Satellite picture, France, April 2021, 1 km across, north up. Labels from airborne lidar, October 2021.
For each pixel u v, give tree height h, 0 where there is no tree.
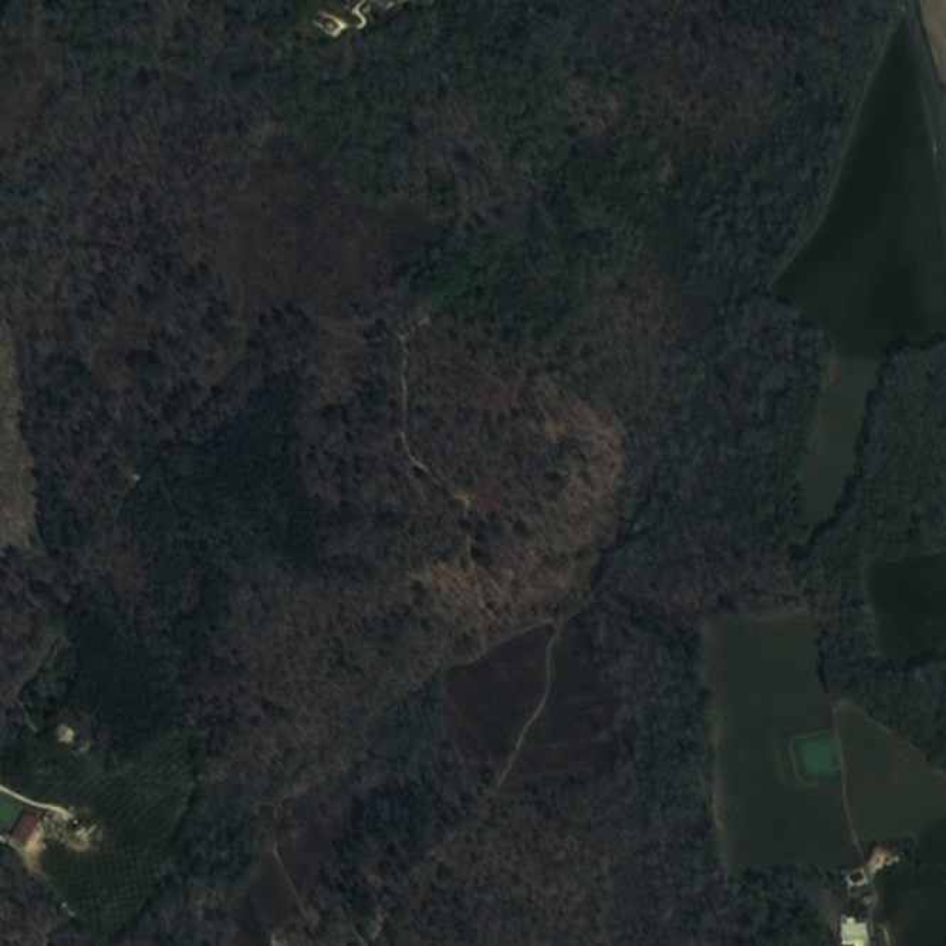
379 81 26
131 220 11
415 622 25
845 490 0
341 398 10
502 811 10
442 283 19
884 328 0
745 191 26
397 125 18
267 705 16
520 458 11
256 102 22
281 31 26
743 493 15
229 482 22
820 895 21
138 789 7
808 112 10
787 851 0
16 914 11
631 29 8
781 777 0
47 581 12
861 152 0
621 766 22
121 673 18
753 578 12
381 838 22
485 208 15
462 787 17
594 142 9
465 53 16
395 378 18
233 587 19
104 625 15
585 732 0
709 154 11
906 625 0
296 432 14
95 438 17
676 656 23
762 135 12
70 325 18
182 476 20
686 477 23
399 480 22
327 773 19
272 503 19
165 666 14
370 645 18
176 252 11
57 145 24
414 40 23
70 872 6
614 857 16
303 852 0
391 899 18
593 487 26
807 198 9
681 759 16
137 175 14
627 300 22
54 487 16
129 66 20
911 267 0
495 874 9
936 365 22
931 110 0
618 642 13
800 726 0
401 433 18
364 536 11
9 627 12
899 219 0
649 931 11
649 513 19
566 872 18
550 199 16
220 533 20
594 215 21
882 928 0
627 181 21
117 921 7
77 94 21
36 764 7
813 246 0
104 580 11
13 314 14
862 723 0
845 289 0
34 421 10
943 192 0
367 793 0
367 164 23
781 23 25
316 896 9
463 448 17
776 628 0
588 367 26
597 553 0
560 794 17
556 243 21
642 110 18
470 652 23
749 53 13
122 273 12
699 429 16
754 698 0
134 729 19
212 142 9
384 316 15
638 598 15
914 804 0
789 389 11
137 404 16
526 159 19
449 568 23
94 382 27
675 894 13
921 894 0
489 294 8
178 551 9
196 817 19
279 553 21
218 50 23
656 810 27
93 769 7
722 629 0
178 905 16
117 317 13
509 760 15
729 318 12
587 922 17
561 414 14
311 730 24
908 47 0
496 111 19
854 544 23
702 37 26
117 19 18
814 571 20
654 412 23
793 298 0
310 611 9
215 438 9
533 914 10
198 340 15
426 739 21
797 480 15
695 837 16
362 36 12
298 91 26
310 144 18
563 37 22
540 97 22
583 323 23
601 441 0
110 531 12
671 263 9
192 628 18
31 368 7
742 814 0
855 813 0
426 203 18
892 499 25
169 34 20
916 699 29
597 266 12
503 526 20
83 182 12
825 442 0
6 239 16
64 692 11
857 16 22
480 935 12
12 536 0
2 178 19
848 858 0
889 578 0
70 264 14
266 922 0
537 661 0
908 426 21
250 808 13
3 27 9
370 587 13
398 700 22
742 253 24
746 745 0
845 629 17
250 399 7
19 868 13
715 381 16
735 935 20
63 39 12
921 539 26
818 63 19
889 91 0
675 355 22
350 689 17
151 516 12
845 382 0
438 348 7
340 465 11
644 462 0
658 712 15
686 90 9
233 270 0
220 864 7
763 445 21
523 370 7
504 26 13
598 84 13
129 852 7
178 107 20
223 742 6
